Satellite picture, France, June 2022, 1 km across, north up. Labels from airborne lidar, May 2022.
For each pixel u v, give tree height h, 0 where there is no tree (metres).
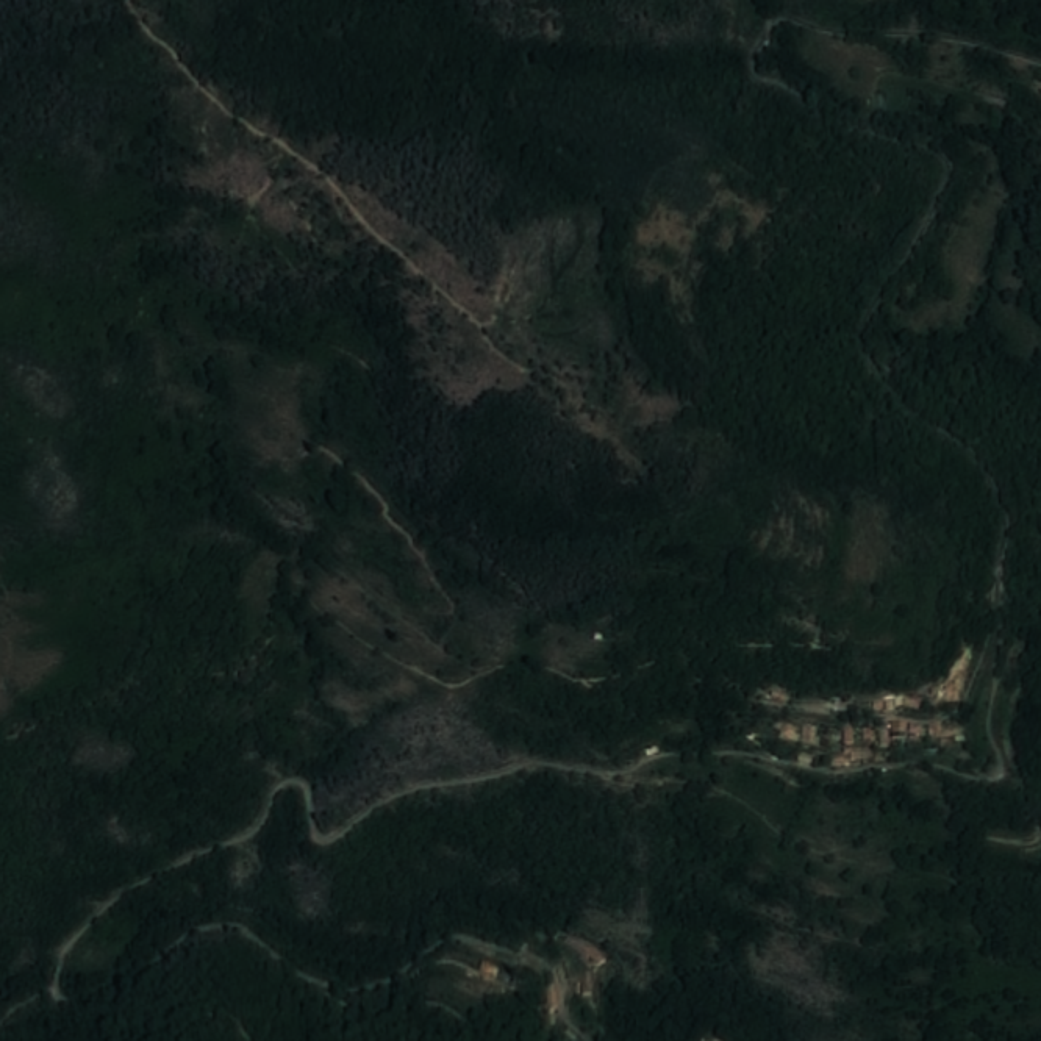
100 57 11
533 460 14
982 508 12
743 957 7
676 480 14
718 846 15
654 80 16
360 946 10
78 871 15
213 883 11
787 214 8
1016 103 8
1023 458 14
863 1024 6
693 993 25
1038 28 18
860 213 11
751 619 13
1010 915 14
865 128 17
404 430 11
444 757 0
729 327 21
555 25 13
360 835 8
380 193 15
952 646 11
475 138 16
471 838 12
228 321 10
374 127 14
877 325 11
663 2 13
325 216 14
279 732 7
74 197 0
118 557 0
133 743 10
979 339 22
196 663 9
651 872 6
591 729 8
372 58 13
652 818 11
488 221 12
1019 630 13
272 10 10
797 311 17
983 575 12
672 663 13
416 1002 13
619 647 8
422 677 0
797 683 9
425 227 15
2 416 0
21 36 8
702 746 6
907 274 8
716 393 16
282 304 9
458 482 16
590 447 15
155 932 14
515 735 8
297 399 0
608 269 8
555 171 13
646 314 11
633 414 0
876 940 13
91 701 9
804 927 11
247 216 0
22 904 14
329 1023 6
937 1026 12
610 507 21
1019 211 15
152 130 14
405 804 9
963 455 14
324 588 0
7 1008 14
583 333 0
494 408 17
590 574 18
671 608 14
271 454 0
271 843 20
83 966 0
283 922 19
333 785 7
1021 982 0
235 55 11
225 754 8
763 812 0
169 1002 15
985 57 11
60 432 0
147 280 12
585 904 8
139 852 11
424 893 12
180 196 19
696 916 13
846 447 14
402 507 8
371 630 0
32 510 0
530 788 12
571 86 7
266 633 8
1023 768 10
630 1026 22
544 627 7
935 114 13
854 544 0
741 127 9
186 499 17
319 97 7
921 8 10
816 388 16
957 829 18
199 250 14
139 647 6
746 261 13
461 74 7
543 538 22
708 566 9
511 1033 15
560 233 0
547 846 12
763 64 24
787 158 8
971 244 0
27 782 10
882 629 0
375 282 14
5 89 7
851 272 19
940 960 13
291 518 8
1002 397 15
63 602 0
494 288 20
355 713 0
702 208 0
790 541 0
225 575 13
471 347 0
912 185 8
